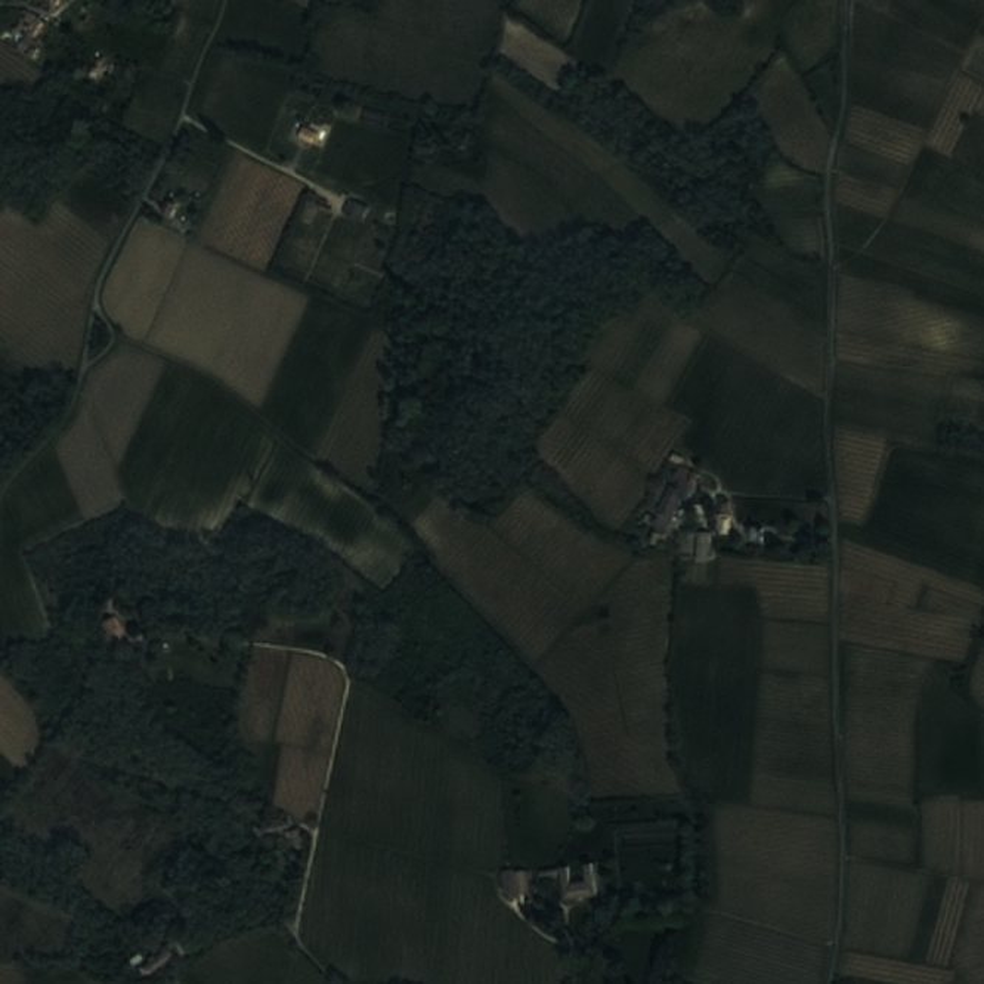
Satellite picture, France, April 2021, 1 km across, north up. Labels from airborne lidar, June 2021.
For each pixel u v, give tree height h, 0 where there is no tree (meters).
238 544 16
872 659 0
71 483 0
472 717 0
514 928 0
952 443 16
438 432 14
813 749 0
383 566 0
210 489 0
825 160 0
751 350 0
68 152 24
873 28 0
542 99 13
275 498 0
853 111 0
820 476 0
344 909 0
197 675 0
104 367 0
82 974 7
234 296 0
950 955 0
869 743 0
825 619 0
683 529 7
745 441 0
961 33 0
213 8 0
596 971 0
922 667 0
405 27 0
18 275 0
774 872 0
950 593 0
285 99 0
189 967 8
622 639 0
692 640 0
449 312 21
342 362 0
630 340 0
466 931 0
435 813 0
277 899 20
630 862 0
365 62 0
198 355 0
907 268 0
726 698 0
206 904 23
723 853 0
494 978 0
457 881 0
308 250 0
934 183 0
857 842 0
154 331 0
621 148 16
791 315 0
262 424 0
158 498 0
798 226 0
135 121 0
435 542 0
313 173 0
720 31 0
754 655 0
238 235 0
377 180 0
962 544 0
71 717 17
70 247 0
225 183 0
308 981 0
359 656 15
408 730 0
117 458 0
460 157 7
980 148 0
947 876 0
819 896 0
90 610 19
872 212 0
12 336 0
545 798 0
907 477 0
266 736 0
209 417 0
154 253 0
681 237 0
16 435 9
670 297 23
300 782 0
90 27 0
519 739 12
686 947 0
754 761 0
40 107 16
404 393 15
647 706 0
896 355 0
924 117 0
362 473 0
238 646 19
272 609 17
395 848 0
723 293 0
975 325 0
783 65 0
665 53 0
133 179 19
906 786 0
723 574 0
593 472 0
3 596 0
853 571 0
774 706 0
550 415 9
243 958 0
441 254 10
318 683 0
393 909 0
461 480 21
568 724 28
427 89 0
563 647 0
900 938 0
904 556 0
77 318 0
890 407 0
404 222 9
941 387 0
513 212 0
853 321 0
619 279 22
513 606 0
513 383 19
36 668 7
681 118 0
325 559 21
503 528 0
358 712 0
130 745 18
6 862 14
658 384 0
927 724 0
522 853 0
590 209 0
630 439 0
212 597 17
